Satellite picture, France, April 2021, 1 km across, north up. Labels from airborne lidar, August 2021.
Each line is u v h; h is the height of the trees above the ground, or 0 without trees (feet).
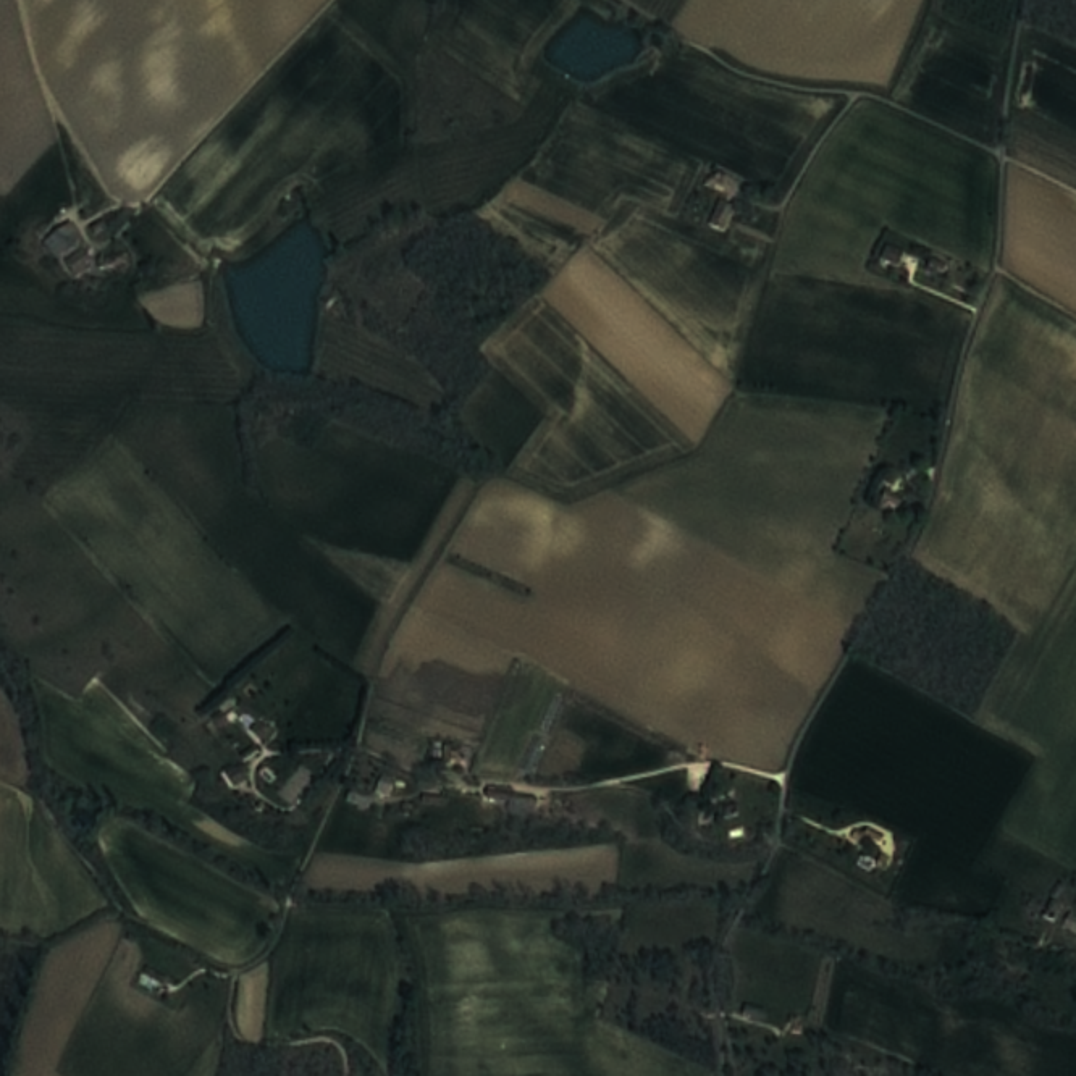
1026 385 0
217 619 0
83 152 0
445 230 39
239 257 0
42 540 0
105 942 0
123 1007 0
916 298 0
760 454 0
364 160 0
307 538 0
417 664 0
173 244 0
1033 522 0
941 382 0
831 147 0
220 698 36
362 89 0
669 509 0
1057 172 0
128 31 0
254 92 0
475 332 41
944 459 0
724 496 0
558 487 0
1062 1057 0
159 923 0
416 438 47
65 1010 0
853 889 0
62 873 0
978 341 0
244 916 0
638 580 0
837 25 0
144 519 0
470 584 0
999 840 0
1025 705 0
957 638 41
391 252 0
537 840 40
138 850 0
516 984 0
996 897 0
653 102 0
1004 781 0
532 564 0
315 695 0
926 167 0
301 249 0
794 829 57
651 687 0
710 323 0
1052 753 0
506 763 0
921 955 0
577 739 0
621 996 0
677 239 0
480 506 0
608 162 0
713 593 0
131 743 0
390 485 0
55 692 0
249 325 0
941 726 0
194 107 0
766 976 0
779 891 0
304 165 0
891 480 40
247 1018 0
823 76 0
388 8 0
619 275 0
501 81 0
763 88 0
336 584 0
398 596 0
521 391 0
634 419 0
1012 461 0
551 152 0
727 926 41
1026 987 37
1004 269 0
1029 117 0
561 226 0
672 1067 0
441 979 0
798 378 0
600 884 0
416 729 0
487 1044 0
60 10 0
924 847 0
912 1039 0
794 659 0
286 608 0
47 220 0
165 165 0
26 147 0
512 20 0
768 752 0
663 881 0
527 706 0
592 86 0
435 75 0
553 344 0
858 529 0
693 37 0
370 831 0
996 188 0
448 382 32
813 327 0
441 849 41
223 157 0
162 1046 0
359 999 0
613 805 0
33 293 0
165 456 0
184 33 0
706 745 0
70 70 0
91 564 0
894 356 0
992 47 0
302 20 0
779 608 0
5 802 0
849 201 0
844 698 0
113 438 0
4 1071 98
